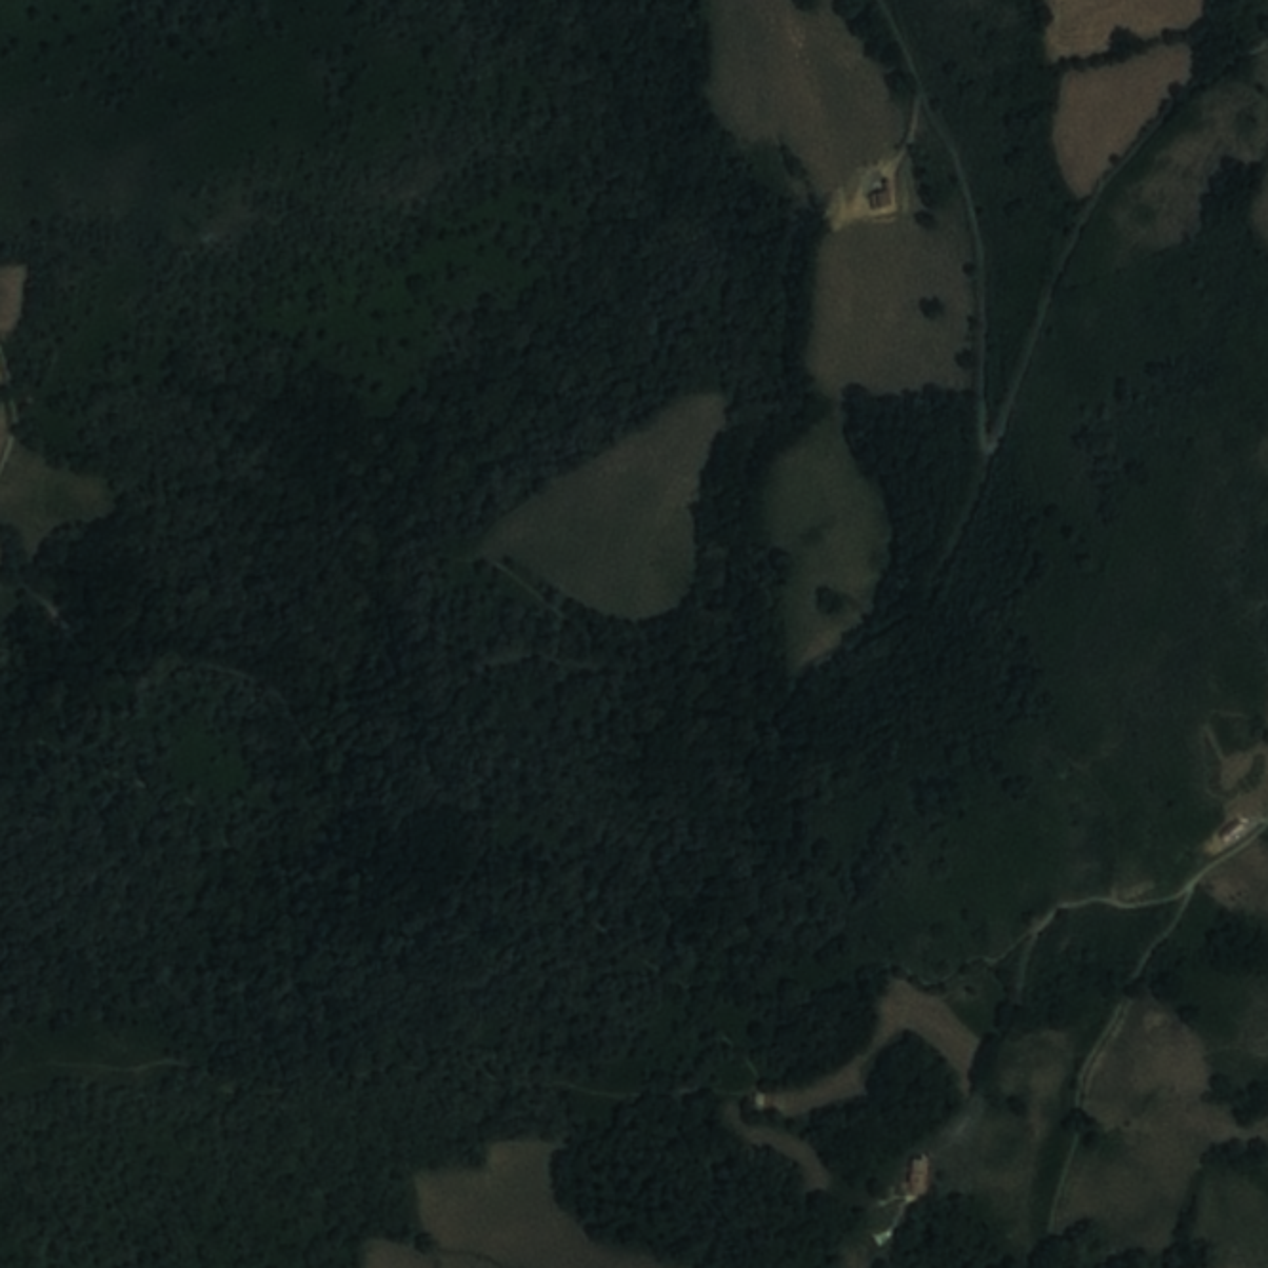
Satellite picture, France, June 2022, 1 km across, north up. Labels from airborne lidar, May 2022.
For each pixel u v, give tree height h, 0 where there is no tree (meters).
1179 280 0
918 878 0
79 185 0
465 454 23
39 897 15
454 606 7
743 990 18
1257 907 0
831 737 10
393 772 22
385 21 11
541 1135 10
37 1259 12
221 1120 8
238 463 18
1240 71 10
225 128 0
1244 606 0
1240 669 0
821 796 12
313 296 13
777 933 10
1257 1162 20
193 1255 12
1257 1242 0
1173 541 0
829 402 0
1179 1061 0
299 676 20
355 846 19
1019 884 0
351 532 21
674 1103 19
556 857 12
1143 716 0
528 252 7
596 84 24
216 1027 13
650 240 24
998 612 13
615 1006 9
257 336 10
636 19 14
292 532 22
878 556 0
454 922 17
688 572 0
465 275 10
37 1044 0
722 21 0
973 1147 0
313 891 21
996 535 10
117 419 15
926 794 20
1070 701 0
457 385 17
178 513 13
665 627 15
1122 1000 11
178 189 6
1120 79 0
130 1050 0
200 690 10
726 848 19
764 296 32
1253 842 0
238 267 10
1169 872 0
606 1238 18
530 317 19
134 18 15
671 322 12
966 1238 21
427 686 17
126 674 15
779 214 18
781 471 0
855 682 11
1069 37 0
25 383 9
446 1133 15
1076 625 0
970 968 8
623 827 16
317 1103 11
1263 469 0
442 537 9
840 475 0
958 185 11
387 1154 14
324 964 20
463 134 7
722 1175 22
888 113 0
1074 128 0
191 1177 9
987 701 12
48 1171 13
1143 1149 0
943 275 0
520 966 15
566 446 9
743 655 31
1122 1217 0
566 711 14
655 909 15
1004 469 10
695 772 10
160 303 8
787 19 0
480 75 9
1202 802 0
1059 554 0
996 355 6
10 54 11
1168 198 0
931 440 20
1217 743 0
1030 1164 0
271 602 16
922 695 10
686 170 33
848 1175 16
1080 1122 17
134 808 13
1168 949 8
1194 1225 7
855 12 11
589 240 13
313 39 0
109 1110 6
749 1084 0
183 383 14
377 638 19
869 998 14
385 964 15
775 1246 15
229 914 17
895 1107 16
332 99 8
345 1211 15
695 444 0
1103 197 0
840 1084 0
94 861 13
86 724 14
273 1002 17
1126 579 0
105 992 14
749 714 17
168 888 7
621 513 0
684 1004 14
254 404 16
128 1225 10
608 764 18
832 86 0
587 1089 0
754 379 14
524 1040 9
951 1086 16
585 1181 18
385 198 7
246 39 0
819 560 0
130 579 18
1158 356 0
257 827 7
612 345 18
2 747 21
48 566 19
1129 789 0
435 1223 0
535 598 0
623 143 27
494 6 11
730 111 0
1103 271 0
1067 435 0
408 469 19
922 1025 0
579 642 12
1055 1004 9
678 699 15
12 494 0
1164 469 0
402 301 0
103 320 0
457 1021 13
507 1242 0
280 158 6
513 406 19
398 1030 18
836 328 0
